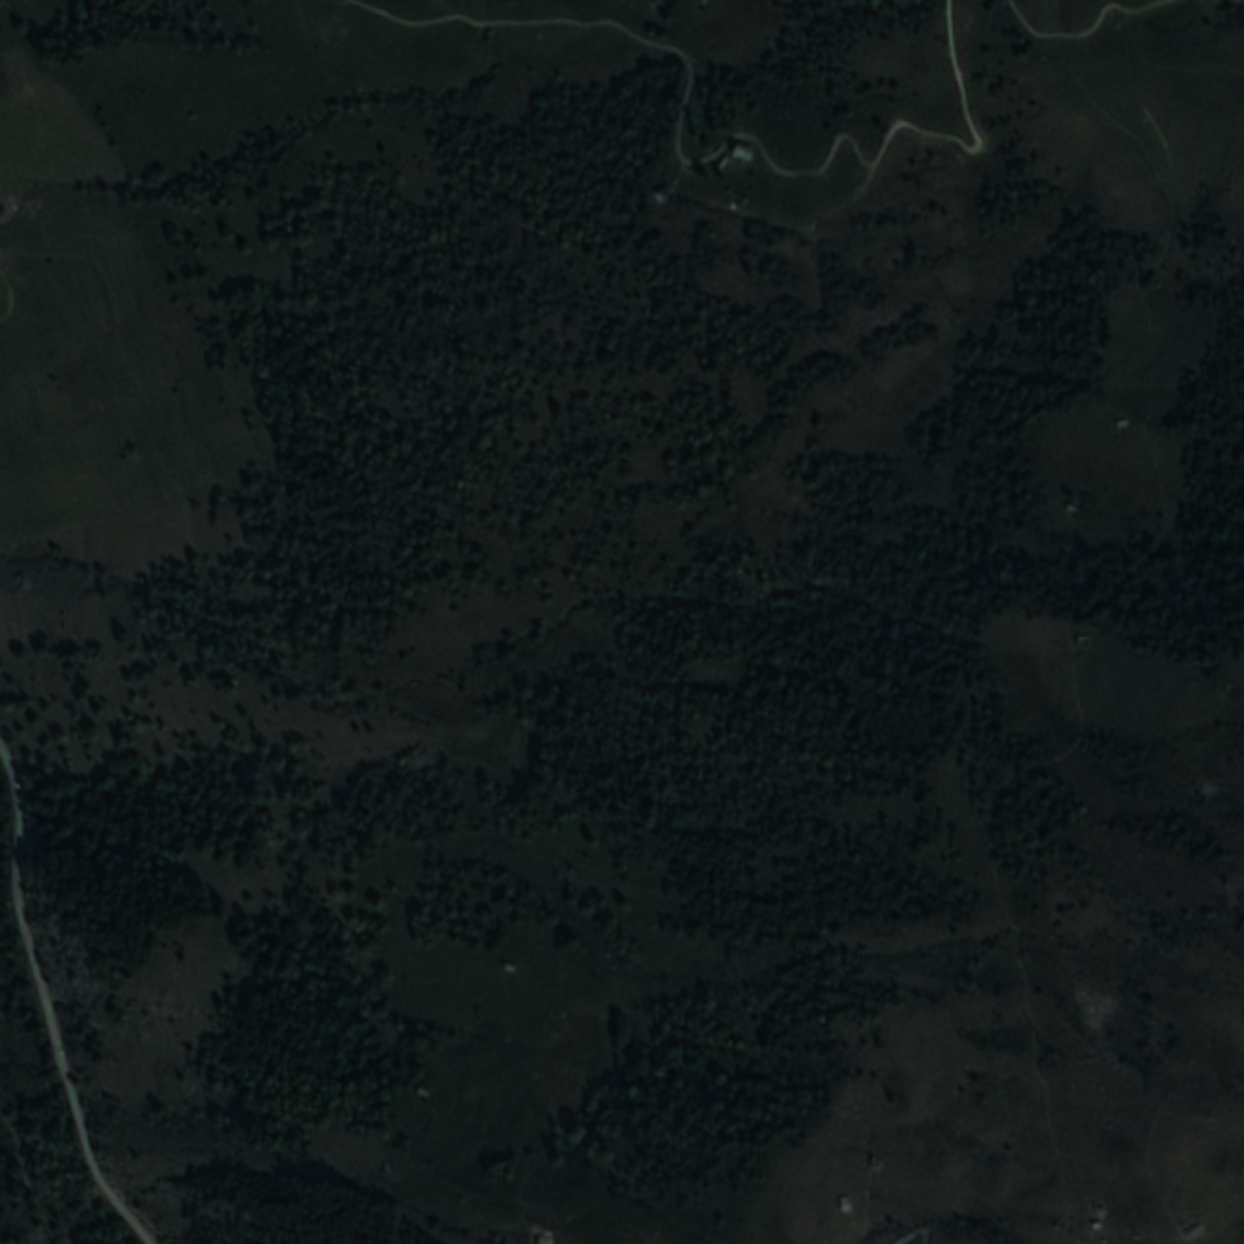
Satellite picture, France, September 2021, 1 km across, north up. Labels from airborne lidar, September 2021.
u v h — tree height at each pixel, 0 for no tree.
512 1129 0
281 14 0
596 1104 8
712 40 0
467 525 6
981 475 7
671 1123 8
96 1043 7
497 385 7
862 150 0
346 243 7
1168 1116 0
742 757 9
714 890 7
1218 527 6
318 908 8
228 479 0
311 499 8
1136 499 0
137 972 12
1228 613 8
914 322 6
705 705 6
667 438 9
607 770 8
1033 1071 0
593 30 0
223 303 8
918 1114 0
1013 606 7
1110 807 0
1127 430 0
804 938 7
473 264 7
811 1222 0
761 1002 9
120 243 0
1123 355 0
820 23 8
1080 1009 0
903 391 0
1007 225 7
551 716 6
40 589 0
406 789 8
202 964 0
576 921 0
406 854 0
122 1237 11
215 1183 11
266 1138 10
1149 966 0
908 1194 0
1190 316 0
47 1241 0
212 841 11
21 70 0
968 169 0
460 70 0
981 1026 0
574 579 6
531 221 7
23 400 0
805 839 6
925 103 0
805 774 8
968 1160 0
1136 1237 0
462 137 9
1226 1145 0
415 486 9
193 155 0
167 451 0
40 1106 10
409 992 0
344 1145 0
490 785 11
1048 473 0
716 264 8
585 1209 0
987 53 7
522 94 0
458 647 0
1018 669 0
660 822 7
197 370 0
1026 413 10
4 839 12
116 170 0
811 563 11
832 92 7
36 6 0
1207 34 0
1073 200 0
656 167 8
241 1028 16
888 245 0
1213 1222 0
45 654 9
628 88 9
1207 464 6
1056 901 0
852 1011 7
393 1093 10
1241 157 0
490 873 7
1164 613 9
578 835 0
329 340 7
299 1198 12
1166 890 0
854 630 9
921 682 6
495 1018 0
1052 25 0
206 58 0
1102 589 8
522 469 6
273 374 12
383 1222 12
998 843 6
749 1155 8
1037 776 5
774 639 8
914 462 0
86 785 10
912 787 5
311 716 0
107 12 17
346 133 0
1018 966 0
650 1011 6
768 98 0
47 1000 0
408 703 0
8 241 0
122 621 0
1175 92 0
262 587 11
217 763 15
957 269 0
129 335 0
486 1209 0
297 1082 12
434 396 6
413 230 8
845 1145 0
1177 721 0
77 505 0
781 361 10
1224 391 7
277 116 0
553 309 5
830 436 0
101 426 0
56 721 0
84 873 14
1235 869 0
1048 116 0
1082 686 0
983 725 6
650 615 9
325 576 10
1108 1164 0
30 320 0
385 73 0
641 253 7
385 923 6
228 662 8
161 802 12
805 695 9
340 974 9
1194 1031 0
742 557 10
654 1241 0
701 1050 8
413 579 8
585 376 6
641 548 6
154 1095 0
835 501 8
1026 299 10
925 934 0
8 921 12
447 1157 0
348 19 0
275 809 0
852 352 0
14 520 0
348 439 9
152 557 0
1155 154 0
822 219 0
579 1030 0
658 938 0
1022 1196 0
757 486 0
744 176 0
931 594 8
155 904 13
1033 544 0
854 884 7
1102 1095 0
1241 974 0
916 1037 0
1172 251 0
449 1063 0
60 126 0
